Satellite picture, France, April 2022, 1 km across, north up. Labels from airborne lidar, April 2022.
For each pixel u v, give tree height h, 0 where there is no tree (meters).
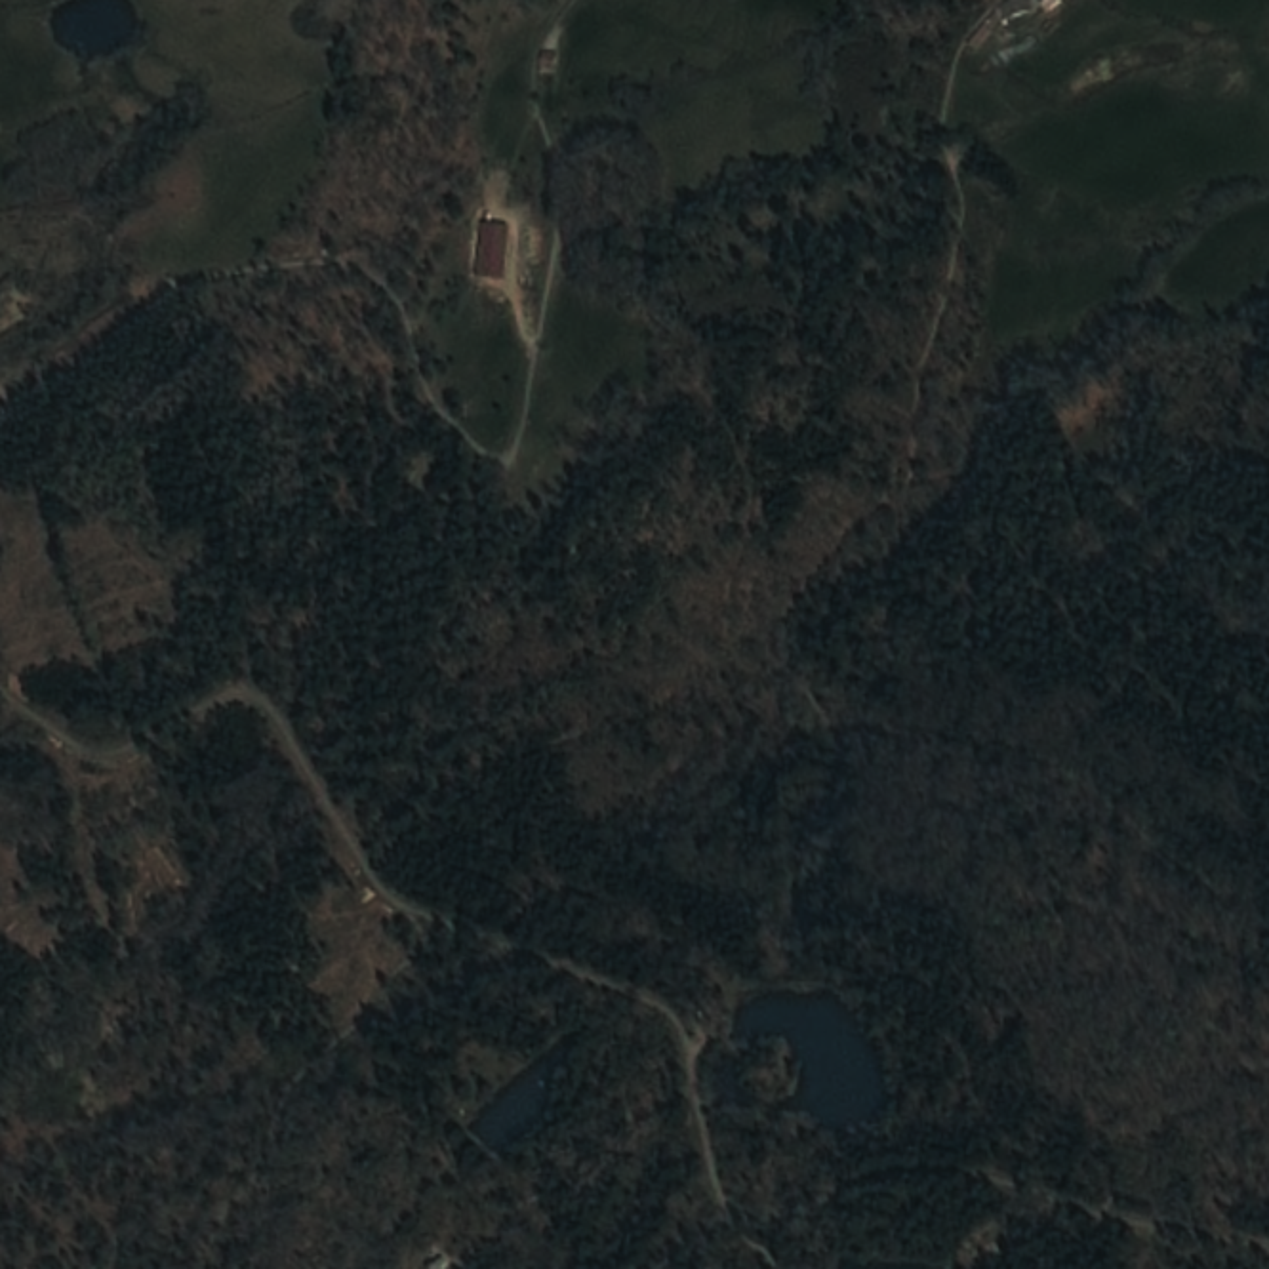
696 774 19
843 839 23
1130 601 23
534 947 21
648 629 17
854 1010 6
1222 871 23
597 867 17
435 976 11
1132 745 18
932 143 10
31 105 0
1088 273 0
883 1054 19
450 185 17
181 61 0
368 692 14
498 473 19
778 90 0
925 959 25
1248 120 0
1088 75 0
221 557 21
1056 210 0
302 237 21
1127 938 29
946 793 24
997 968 20
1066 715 19
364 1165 14
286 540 23
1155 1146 14
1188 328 27
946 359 15
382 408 10
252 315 19
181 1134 23
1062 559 18
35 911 0
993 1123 20
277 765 18
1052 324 0
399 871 17
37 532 0
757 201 28
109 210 10
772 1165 8
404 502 15
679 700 6
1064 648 30
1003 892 26
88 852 0
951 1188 24
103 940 23
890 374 13
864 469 19
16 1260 21
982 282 7
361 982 0
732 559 12
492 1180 17
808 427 10
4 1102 13
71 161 16
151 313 18
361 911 0
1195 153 0
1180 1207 18
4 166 0
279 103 0
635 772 17
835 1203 9
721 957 13
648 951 20
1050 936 25
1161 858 16
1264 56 0
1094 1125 7
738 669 7
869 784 24
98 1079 13
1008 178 18
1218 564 29
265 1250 19
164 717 25
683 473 28
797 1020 0
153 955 25
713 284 10
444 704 25
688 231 28
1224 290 0
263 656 28
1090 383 29
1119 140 0
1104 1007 29
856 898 20
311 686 16
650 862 15
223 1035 20
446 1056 6
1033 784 27
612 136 28
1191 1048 29
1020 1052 27
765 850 16
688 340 10
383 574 19
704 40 0
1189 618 20
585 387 0
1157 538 14
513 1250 20
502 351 0
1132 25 0
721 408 13
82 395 15
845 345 15
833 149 12
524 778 14
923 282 10
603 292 22
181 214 0
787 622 11
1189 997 25
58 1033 13
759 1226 21
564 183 32
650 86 9
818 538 21
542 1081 0
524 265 0
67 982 16
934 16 30
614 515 21
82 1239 11
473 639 30
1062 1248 24
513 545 30
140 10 0
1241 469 31
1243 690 20
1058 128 0
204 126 7
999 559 31
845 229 0
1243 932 27
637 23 0
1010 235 0
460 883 24
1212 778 30
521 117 0
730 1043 7
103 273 6
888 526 23
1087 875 30
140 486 19
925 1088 23
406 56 23
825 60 17
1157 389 34
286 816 26
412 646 17
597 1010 7
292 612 10
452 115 22
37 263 0
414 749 8
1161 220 0
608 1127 24
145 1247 9
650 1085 6
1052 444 22
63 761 0
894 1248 8
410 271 24
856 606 20
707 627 17
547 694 21
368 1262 26
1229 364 8
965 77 0
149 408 22
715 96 0
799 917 6
